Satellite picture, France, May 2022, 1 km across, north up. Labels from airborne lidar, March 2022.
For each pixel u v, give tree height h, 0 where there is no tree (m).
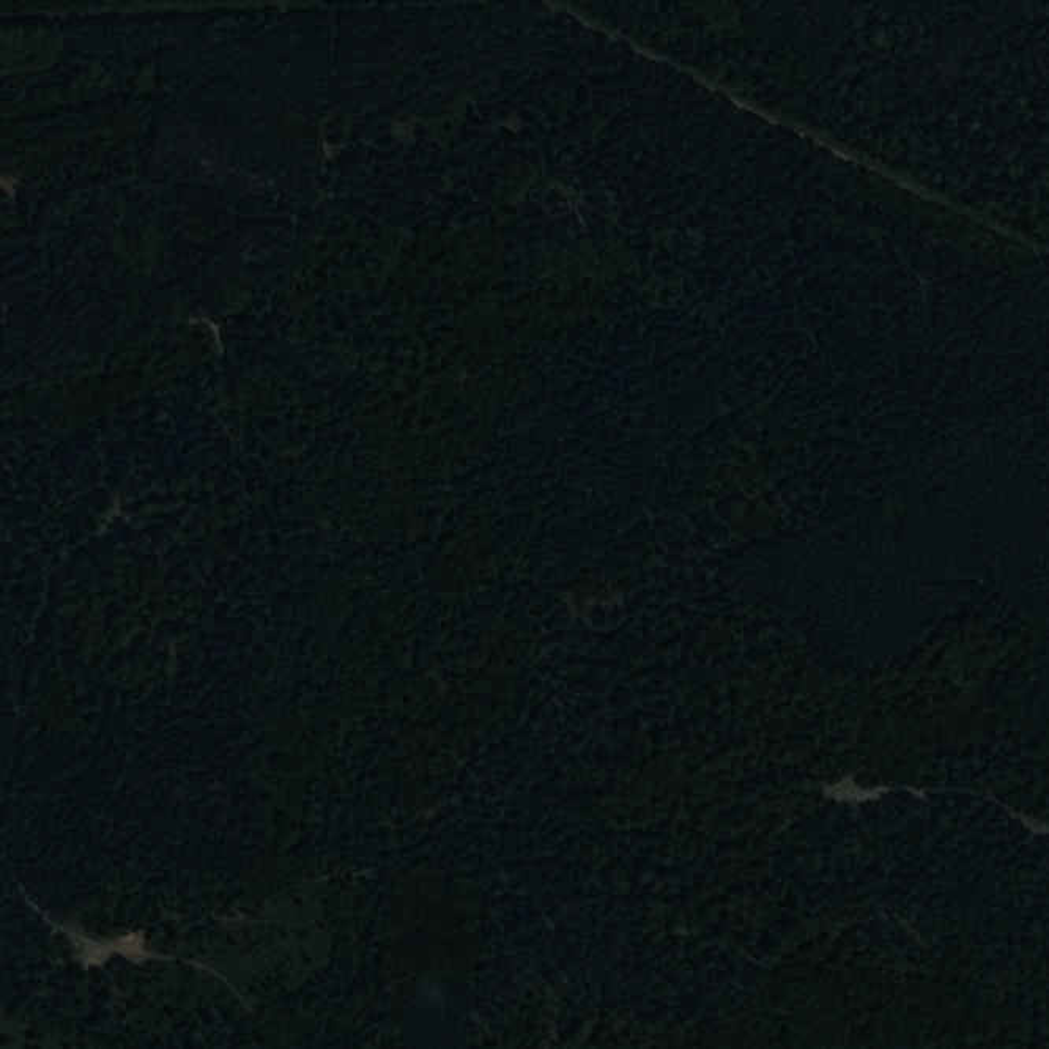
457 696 13
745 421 12
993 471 22
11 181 27
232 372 26
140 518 26
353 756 6
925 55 21
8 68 28
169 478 30
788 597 21
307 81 24
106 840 30
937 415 26
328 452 18
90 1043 20
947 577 21
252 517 7
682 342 22
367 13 22
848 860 10
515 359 11
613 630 13
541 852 15
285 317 14
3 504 19
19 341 30
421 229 16
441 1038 27
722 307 17
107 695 20
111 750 28
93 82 27
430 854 15
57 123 22
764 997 15
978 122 30
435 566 17
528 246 23
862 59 31
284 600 15
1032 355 24
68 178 19
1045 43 29
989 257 14
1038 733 14
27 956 21
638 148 11
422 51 24
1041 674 20
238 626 23
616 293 15
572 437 12
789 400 20
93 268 26
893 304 28
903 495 20
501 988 35
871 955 30
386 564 13
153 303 24
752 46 10
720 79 30
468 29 23
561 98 20
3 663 21
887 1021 16
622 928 28
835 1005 11
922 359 33
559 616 12
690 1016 31
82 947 0
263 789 6
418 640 11
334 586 13
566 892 16
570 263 23
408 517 6
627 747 24
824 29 31
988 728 13
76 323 29
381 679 8
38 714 25
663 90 26
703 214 17
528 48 25
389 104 17
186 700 20
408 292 8
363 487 13
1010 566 24
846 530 19
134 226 22
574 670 20
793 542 23
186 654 16
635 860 17
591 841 14
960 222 13
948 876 22
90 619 23
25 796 27
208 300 26
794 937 19
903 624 23
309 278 7
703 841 31
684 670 23
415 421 13
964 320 32
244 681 26
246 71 24
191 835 22
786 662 19
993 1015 13
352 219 8
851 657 25
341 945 11
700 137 24
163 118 26
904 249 27
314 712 13
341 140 15
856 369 27
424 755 13
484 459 8
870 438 14
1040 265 20
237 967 0
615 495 20
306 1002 13
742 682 19
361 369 18
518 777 20
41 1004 27
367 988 14
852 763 12
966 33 26
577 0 22
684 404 27
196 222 29
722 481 13
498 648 15
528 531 14
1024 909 11
